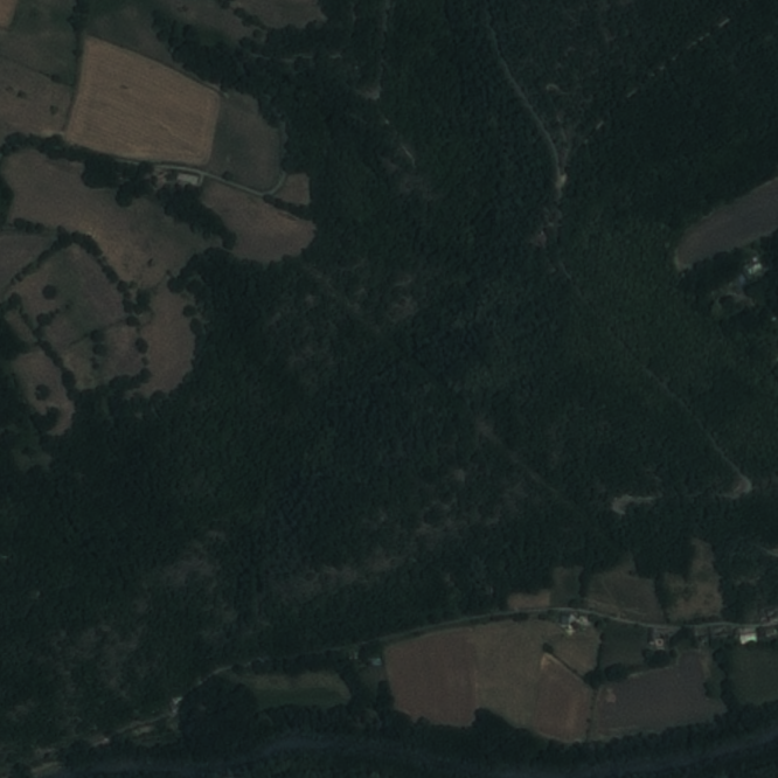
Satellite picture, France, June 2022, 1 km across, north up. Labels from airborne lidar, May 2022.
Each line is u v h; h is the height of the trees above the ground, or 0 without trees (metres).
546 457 11
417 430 15
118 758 29
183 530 17
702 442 12
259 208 0
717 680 0
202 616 13
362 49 13
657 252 13
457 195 15
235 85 15
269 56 16
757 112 15
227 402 17
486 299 16
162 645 11
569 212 12
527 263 19
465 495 13
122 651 8
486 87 13
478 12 19
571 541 8
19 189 0
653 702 0
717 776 15
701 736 20
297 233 0
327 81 18
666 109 19
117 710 14
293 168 15
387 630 19
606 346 13
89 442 14
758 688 0
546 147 11
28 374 0
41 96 0
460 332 17
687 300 19
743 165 8
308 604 12
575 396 15
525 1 7
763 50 16
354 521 12
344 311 13
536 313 13
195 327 13
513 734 23
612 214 8
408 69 11
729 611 18
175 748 13
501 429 8
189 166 0
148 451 19
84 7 16
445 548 8
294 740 0
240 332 18
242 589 20
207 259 25
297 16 0
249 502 10
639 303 14
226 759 31
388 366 13
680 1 16
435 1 12
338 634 21
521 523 14
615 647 0
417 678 0
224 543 15
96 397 10
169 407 15
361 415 22
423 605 9
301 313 11
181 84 0
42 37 0
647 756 31
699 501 17
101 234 0
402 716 21
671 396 11
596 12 10
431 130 14
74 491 10
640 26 14
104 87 0
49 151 16
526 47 7
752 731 38
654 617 0
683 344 13
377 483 12
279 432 10
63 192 0
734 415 15
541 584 19
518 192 15
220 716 23
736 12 14
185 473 11
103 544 26
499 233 9
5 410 23
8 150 17
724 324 22
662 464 14
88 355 0
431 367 26
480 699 0
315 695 0
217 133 0
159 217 0
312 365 9
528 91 6
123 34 0
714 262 17
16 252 0
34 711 13
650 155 19
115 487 18
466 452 12
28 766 15
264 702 0
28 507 21
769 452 16
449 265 11
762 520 11
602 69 11
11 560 15
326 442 12
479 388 11
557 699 0
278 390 15
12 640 12
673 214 18
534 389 15
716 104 17
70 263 0
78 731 13
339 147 15
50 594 15
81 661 9
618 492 8
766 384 12
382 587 10
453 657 0
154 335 0
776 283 15
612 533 12
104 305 0
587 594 9
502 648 0
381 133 10
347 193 13
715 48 13
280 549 6
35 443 0
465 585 11
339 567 14
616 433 12
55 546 20
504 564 14
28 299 0
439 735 19
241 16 11
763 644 6
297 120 16
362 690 23
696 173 14
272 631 12
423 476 12
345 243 13
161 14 13
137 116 0
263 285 14
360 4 13
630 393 12
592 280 12
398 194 12
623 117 22
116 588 12
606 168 19
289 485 11
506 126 12
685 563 17
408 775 17
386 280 7
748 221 0
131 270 0
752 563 13
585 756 36
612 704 0
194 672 14
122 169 13
